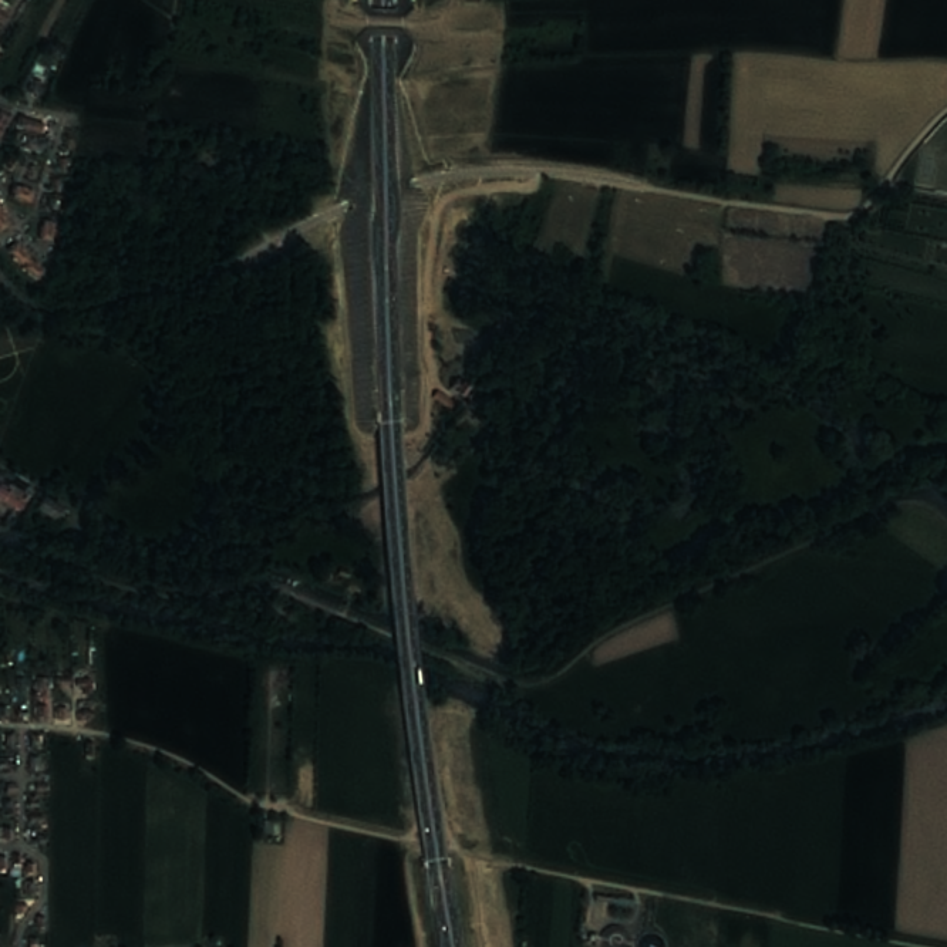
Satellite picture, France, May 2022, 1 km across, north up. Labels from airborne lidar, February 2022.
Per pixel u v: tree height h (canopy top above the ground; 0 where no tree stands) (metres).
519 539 30
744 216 0
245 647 15
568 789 0
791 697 0
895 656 22
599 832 0
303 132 0
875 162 0
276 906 0
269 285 28
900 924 0
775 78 0
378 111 0
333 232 0
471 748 0
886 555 0
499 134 0
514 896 0
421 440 0
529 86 0
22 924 0
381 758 0
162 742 0
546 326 36
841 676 0
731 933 0
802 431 0
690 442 28
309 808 0
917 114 0
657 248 0
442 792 0
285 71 0
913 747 0
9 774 0
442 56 0
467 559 0
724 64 9
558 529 15
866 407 0
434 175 0
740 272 0
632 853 0
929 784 0
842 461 18
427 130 0
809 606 0
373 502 0
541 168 0
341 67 0
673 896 0
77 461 0
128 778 0
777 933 0
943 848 0
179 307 28
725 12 0
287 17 0
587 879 0
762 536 28
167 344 26
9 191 0
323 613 8
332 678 0
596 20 0
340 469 26
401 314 0
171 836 0
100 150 0
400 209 0
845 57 0
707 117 0
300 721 0
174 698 0
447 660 0
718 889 0
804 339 27
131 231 26
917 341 0
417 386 0
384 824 0
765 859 0
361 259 0
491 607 22
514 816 0
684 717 0
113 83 12
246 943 0
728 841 0
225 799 10
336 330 0
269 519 32
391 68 0
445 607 0
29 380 0
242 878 0
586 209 0
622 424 0
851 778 0
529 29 0
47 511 0
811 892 0
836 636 0
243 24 8
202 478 17
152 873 0
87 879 0
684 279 0
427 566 0
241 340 31
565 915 0
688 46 0
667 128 0
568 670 0
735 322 0
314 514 25
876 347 0
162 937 0
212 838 0
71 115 0
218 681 0
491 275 28
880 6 0
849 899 0
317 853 0
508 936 0
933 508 0
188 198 24
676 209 0
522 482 28
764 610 0
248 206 23
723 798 0
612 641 0
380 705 0
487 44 0
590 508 27
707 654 0
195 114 0
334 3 0
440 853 0
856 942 0
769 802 0
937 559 0
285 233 0
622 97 0
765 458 0
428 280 0
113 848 0
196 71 0
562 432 30
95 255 22
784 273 0
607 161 0
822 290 13
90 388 0
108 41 0
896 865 0
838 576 0
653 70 0
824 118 0
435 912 0
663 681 0
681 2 0
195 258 25
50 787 0
